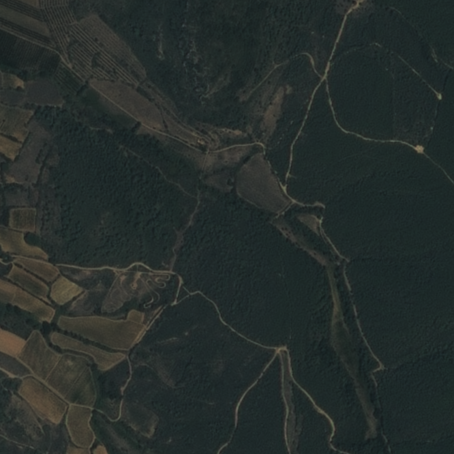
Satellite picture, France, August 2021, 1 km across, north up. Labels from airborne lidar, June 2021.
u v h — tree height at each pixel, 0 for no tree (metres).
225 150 0
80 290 0
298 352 7
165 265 0
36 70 9
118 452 0
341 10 0
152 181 7
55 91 0
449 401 5
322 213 7
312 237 9
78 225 7
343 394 6
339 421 6
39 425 0
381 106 6
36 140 0
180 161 7
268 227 10
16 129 0
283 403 6
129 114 0
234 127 8
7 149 0
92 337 0
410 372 6
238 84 7
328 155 6
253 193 0
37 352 0
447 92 7
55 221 0
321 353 7
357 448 8
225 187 0
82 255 8
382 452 9
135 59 0
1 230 0
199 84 8
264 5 7
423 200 6
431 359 6
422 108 7
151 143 12
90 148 7
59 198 9
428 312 5
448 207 5
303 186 6
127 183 7
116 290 0
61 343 0
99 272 0
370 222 5
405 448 8
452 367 6
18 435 0
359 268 7
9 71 9
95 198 6
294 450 0
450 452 6
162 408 6
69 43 7
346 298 9
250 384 0
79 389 0
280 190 0
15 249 0
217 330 0
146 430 0
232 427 7
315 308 11
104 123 9
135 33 13
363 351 9
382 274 7
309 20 5
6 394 12
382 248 6
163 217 13
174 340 0
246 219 8
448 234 6
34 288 0
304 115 6
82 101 7
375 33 6
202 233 6
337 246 7
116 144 7
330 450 6
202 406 6
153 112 0
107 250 12
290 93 0
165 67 6
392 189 6
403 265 8
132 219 10
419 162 6
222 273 7
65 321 0
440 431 6
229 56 6
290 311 5
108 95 0
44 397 0
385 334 6
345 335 0
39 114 8
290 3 6
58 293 0
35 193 0
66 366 0
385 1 10
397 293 6
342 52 6
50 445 0
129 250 7
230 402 0
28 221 0
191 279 5
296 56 6
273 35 9
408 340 7
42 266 0
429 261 6
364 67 6
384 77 5
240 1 0
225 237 7
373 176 7
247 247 7
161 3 0
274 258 6
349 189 6
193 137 0
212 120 5
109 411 0
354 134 6
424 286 5
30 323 16
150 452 0
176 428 6
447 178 5
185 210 5
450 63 7
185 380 8
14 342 0
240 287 8
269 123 0
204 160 0
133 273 0
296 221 7
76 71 6
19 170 0
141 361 0
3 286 0
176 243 0
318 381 5
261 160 0
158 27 0
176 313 7
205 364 8
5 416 11
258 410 5
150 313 0
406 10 8
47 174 0
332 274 0
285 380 0
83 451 0
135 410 0
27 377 0
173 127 0
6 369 0
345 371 5
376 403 14
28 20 0
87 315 0
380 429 9
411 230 6
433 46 7
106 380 7
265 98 0
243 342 6
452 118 6
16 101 0
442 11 6
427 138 6
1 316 14
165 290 7
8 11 0
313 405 6
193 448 0
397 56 7
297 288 6
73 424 0
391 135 5
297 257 6
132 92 0
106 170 8
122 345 0
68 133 8
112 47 0
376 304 6
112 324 0
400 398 6
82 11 0
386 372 7
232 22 0
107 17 6
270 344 6
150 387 0
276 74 0
